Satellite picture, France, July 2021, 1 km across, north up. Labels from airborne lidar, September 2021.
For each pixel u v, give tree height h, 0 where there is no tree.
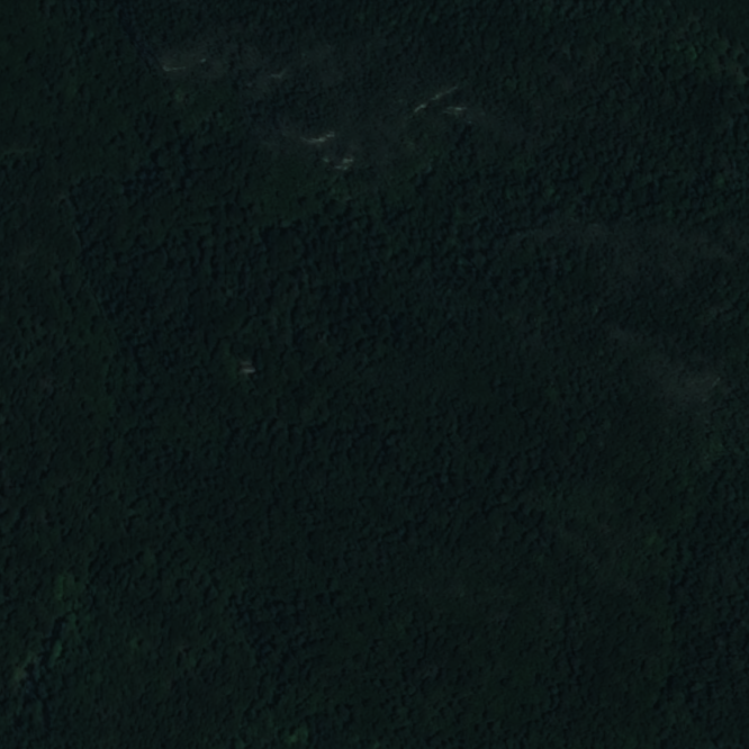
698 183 20
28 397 21
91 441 31
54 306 13
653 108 12
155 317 37
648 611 11
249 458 12
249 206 12
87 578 10
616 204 25
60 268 26
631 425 17
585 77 13
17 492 33
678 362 12
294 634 27
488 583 10
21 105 14
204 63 9
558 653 15
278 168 11
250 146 12
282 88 11
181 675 10
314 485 8
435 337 12
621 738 22
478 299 9
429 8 16
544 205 10
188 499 10
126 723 21
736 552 18
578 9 12
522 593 15
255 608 13
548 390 23
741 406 12
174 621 28
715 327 19
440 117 7
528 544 21
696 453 16
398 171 11
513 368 10
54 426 29
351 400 21
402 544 20
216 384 22
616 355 19
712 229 7
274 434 23
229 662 26
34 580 26
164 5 10
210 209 9
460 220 21
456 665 21
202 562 14
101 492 31
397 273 16
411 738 20
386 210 18
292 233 25
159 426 10
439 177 22
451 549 18
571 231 8
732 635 34
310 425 9
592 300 23
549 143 9
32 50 14
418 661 15
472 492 25
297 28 16
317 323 15
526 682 12
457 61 11
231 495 13
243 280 26
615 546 9
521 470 22
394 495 10
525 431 10
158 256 30
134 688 21
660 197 29
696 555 27
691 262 8
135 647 19
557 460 26
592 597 22
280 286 23
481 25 22
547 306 18
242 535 17
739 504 23
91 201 16
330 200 12
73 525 31
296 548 22
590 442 21
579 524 20
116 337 11
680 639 11
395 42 13
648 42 12
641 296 12
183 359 19
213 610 28
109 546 34
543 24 18
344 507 10
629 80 23
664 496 22
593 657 23
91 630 27
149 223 24
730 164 9
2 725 25
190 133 12
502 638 15
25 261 12
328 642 14
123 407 20
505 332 11
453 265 15
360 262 12
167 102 10
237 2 14
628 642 17
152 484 25
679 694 24
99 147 18
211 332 24
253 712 24
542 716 12
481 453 12
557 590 12
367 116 10
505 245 9
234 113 12
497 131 6
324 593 13
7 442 32
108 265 30
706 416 10
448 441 10
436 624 11
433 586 8
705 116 13
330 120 8
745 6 28
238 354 26
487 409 16
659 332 18
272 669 13
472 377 11
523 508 27
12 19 18
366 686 11
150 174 24
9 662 29
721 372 17
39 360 34
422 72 12
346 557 11
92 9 22
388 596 11
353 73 9
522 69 14
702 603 28
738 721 16
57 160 14
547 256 8
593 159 21
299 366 15
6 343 31
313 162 9
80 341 13
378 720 10
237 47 7
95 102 20
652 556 18
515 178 18
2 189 20
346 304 25
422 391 16
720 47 18
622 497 24
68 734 31
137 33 9
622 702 29
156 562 9
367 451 26
